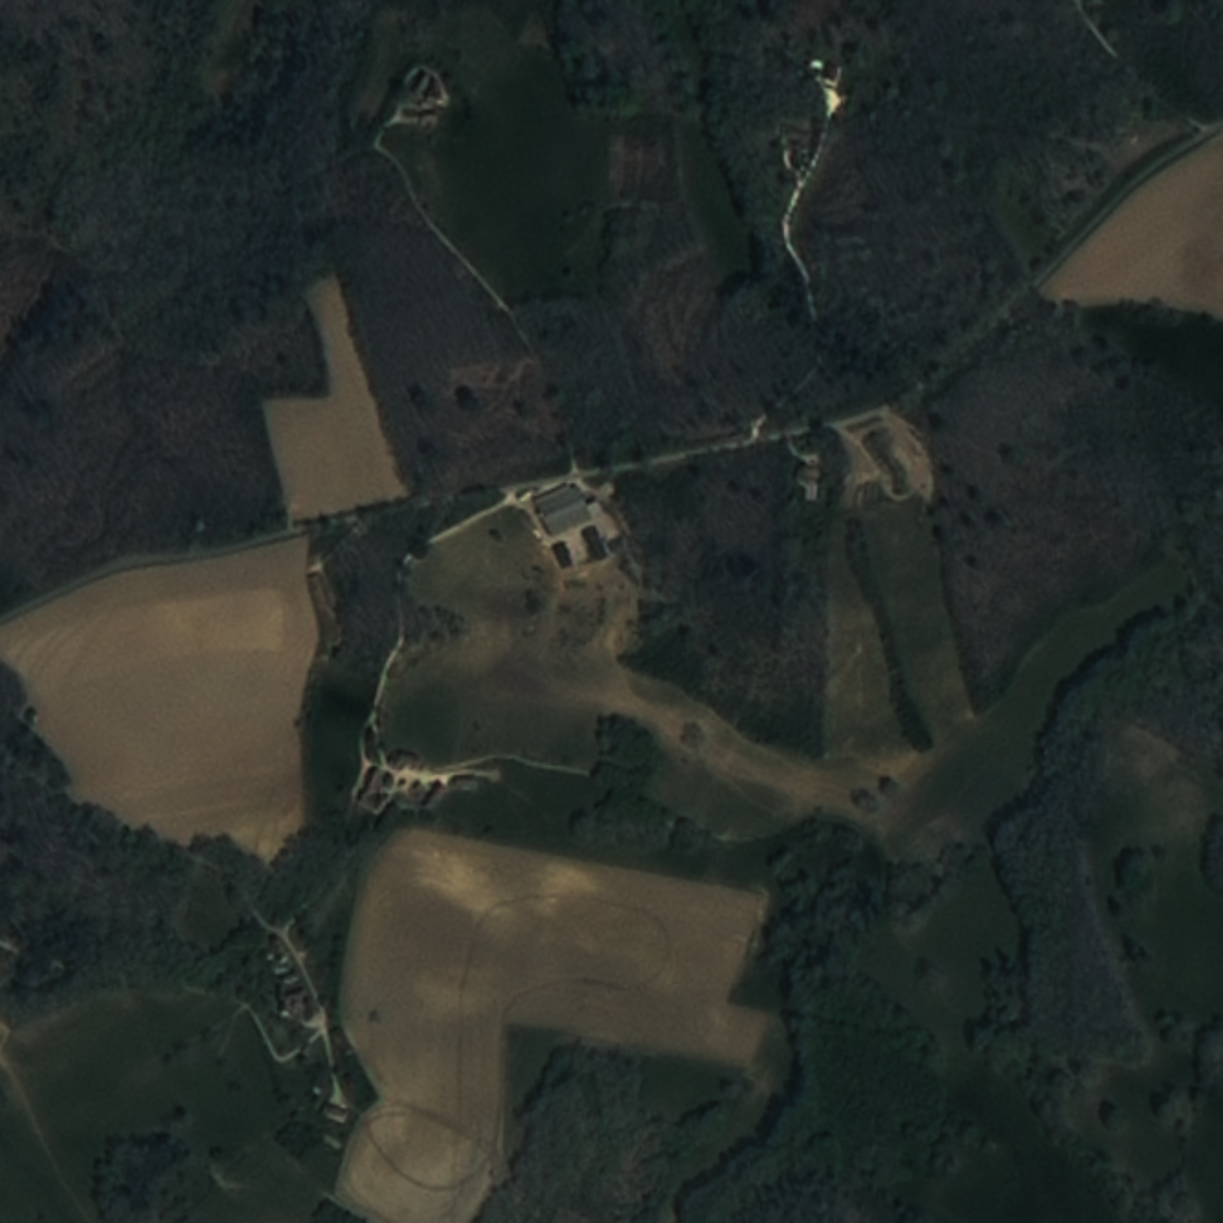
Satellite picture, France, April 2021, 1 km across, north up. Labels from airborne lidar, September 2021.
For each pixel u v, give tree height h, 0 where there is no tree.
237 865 20
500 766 0
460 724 0
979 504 19
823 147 15
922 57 13
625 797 12
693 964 0
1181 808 0
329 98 14
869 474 0
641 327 8
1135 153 0
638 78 19
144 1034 0
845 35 19
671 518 11
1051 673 0
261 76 12
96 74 14
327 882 23
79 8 14
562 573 0
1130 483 22
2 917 18
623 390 20
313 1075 8
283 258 14
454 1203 0
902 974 0
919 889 0
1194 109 8
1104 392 15
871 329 19
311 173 17
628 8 22
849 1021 22
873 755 0
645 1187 13
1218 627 10
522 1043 0
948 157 21
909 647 0
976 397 16
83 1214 0
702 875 0
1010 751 0
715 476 11
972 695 7
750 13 10
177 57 14
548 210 0
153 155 23
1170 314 10
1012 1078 15
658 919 0
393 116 0
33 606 0
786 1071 0
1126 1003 14
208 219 19
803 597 19
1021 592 7
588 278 0
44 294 6
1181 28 9
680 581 12
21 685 16
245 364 8
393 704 0
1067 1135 18
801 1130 21
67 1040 0
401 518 21
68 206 22
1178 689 23
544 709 0
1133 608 0
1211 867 19
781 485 12
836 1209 10
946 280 8
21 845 26
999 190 21
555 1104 19
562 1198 14
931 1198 0
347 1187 0
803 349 13
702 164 0
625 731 14
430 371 14
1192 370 0
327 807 0
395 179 6
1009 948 0
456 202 0
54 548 6
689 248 17
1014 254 14
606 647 0
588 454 18
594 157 0
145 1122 0
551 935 0
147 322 14
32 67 22
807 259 14
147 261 17
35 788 13
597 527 0
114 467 8
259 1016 11
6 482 16
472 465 13
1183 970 0
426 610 9
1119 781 0
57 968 6
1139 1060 17
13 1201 0
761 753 0
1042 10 12
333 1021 7
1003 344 16
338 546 13
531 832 0
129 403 6
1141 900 16
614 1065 19
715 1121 14
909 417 7
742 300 23
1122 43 10
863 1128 16
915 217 20
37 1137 0
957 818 0
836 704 0
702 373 13
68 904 16
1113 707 19
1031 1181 0
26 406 17
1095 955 16
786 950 22
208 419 6
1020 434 17
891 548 0
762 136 17
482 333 18
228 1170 0
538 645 0
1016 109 13
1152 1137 0
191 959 18
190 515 8
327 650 0
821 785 0
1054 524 7
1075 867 17
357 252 14
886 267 14
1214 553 17
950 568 11
